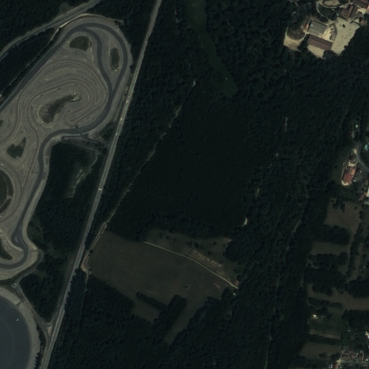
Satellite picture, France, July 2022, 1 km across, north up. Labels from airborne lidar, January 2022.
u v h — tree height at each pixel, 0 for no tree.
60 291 12
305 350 0
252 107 10
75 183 0
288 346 29
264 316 21
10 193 0
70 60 0
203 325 27
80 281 28
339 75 19
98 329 32
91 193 11
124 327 24
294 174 19
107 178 0
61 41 0
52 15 21
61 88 0
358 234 6
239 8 24
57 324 0
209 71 24
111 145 0
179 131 15
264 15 22
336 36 0
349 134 10
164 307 15
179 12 19
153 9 0
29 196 0
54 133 0
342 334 6
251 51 27
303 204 26
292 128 17
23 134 0
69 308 26
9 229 0
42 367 0
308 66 18
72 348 21
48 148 0
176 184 8
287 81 23
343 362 0
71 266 0
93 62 0
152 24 0
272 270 18
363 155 8
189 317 0
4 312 0
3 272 0
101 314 23
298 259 23
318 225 21
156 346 21
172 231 23
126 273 0
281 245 16
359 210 0
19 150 0
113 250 0
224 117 12
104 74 0
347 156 0
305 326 27
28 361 0
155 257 0
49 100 0
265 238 23
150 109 28
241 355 18
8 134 0
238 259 21
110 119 0
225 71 0
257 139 20
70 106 0
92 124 0
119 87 0
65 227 31
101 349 24
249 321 15
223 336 22
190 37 16
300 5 14
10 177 0
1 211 0
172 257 0
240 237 23
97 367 24
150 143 29
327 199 20
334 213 0
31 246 0
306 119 14
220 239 0
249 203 21
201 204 12
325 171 19
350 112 19
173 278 0
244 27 31
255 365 10
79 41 0
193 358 25
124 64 0
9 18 27
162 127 26
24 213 0
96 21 0
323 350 0
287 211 13
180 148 11
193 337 26
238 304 15
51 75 0
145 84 13
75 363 22
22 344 0
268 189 17
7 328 0
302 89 15
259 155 10
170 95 29
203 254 0
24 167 0
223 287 0
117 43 0
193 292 0
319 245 0
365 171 0
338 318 0
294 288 19
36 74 0
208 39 0
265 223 19
